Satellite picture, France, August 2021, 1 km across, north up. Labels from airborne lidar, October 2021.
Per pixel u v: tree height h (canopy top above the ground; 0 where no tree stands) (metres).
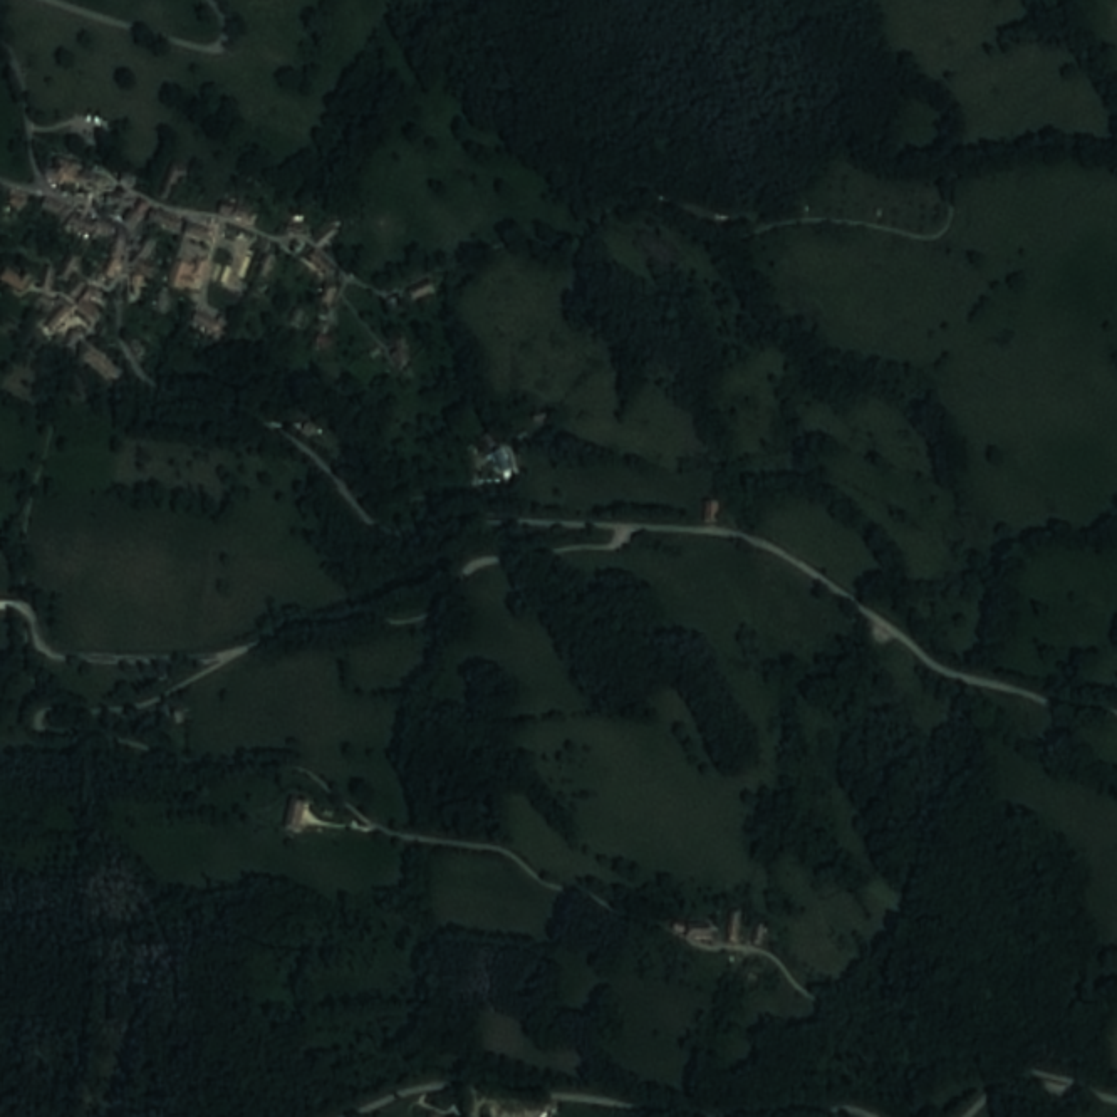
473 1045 19
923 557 0
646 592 26
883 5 8
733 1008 6
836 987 17
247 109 0
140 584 0
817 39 23
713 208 13
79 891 21
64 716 21
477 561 0
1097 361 0
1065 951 28
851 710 16
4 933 26
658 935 17
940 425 21
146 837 0
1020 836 30
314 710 0
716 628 0
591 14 20
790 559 0
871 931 0
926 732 6
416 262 15
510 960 20
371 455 21
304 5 0
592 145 10
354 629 18
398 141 0
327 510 12
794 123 8
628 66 7
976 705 25
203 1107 17
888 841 20
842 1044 14
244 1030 20
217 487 0
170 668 13
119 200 0
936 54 0
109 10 0
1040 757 13
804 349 16
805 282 0
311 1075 20
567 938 21
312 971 15
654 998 0
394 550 25
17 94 16
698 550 0
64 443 13
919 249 0
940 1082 25
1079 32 20
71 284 7
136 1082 29
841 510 20
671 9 13
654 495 0
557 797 7
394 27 16
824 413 0
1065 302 0
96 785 15
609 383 0
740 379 0
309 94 9
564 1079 11
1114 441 0
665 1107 23
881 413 0
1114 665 0
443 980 20
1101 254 0
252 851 0
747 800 10
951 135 17
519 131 27
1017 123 0
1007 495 0
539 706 0
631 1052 0
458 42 13
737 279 14
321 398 26
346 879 0
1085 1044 23
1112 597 0
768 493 19
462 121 14
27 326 12
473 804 23
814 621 0
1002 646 13
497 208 0
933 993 26
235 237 0
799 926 0
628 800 0
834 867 14
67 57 15
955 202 7
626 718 17
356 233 0
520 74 23
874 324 0
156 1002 33
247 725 0
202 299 0
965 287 0
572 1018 23
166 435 18
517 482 14
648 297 14
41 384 9
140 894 28
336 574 14
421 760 24
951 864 27
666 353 14
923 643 11
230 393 24
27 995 15
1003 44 9
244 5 0
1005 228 0
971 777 24
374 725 0
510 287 0
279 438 16
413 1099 0
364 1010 19
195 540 0
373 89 9
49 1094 20
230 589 7
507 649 0
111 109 0
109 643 0
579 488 0
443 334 0
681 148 22
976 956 23
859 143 22
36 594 12
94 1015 28
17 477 9
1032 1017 28
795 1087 21
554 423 10
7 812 8
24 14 0
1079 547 15
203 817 9
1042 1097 14
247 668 0
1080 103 0
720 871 0
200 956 22
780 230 9
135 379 14
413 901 15
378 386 9
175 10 0
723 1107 24
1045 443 0
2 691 13
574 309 14
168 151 13
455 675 0
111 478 0
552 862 0
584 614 21
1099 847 0
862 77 17
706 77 11
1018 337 0
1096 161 19
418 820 19
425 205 0
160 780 14
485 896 0
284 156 0
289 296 7
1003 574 23
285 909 8
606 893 15
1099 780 24
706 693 19
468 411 18
